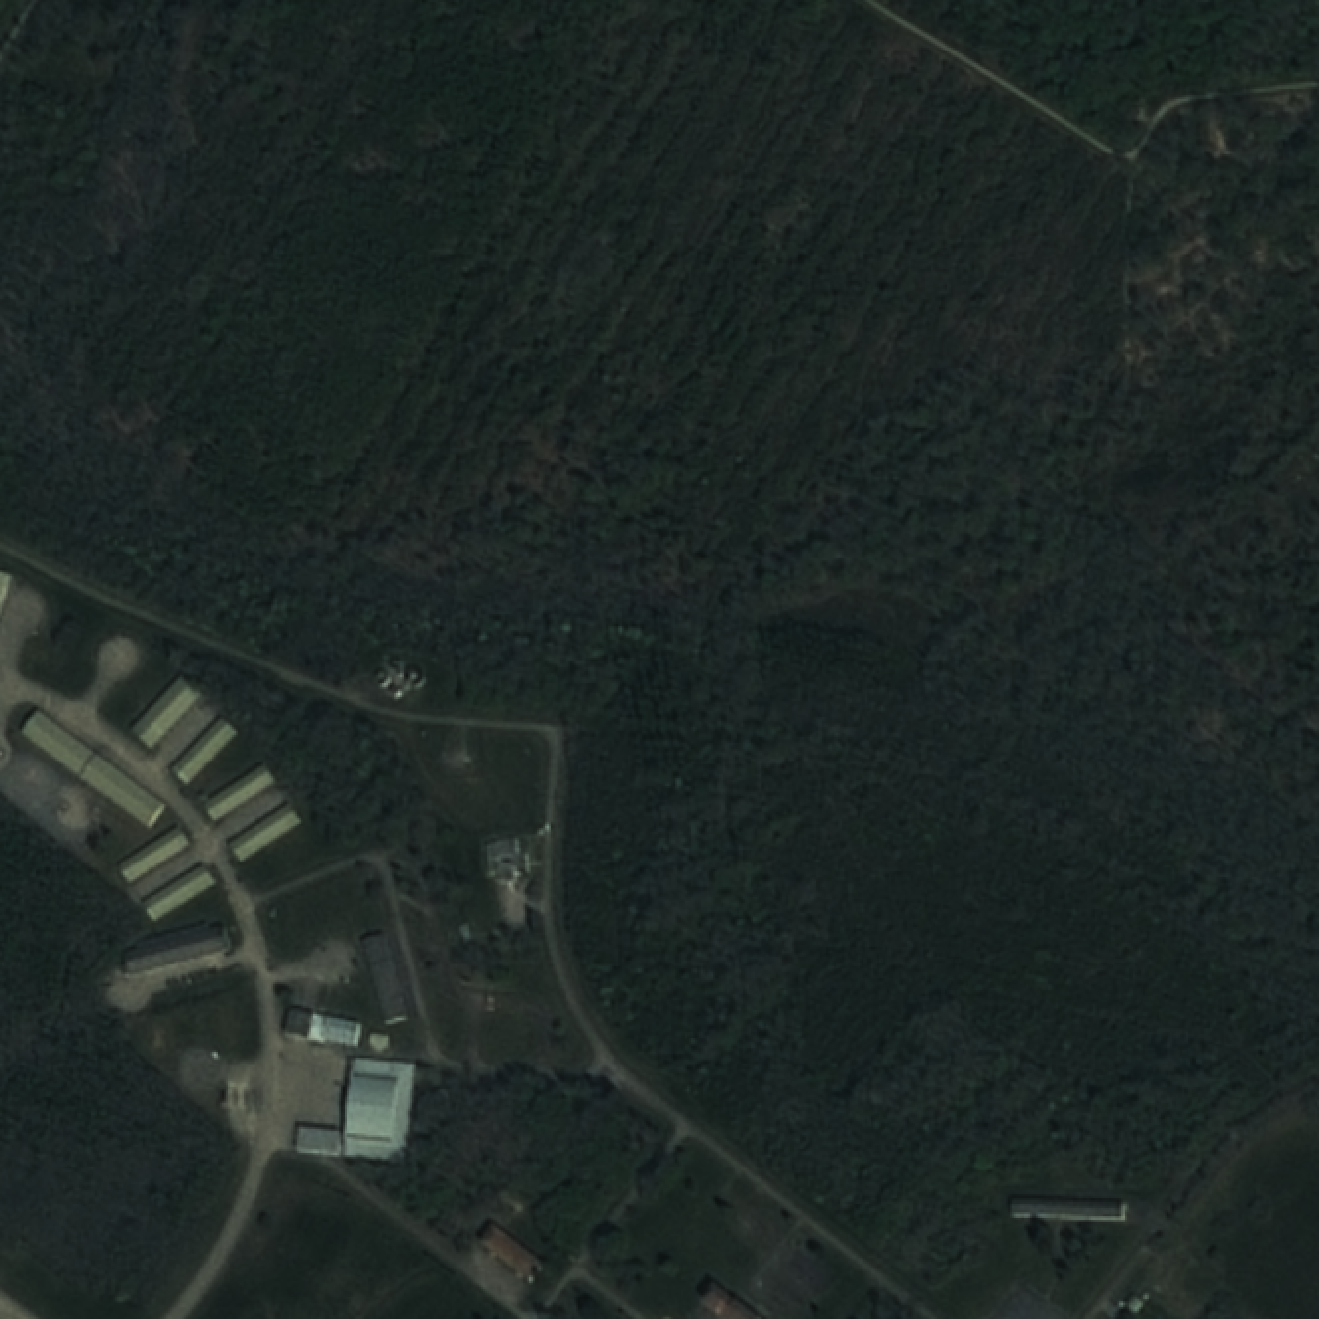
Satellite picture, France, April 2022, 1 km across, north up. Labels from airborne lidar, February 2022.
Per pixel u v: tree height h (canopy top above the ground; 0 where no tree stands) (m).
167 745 0
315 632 19
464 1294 0
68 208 16
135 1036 0
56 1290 0
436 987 0
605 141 7
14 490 13
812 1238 0
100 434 20
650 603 15
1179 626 26
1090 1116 22
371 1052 0
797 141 9
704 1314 0
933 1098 17
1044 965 6
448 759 0
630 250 8
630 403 8
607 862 10
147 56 21
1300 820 24
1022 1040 28
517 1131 29
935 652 21
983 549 23
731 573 24
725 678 17
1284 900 21
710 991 11
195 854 0
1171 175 26
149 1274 0
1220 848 24
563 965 0
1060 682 13
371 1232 0
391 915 0
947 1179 24
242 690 19
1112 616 22
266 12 25
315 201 11
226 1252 0
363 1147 0
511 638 17
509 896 0
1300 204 23
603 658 10
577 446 18
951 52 0
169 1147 18
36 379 7
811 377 9
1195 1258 0
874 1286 0
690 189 6
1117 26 26
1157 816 25
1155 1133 19
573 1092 25
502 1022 0
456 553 21
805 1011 7
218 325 15
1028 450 23
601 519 22
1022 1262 0
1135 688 24
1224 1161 16
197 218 12
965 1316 0
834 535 24
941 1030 29
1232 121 25
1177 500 0
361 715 0
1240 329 22
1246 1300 0
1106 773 22
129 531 18
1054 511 25
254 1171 0
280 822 0
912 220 8
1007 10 26
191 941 0
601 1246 17
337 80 8
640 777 15
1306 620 13
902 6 10
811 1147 20
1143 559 28
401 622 19
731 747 23
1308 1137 0
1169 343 25
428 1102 20
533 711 17
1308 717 19
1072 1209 0
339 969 0
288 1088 0
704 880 24
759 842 12
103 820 0
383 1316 0
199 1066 0
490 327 7
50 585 0
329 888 0
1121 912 5
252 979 0
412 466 8
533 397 7
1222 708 18
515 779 0
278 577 22
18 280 22
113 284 18
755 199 6
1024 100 0
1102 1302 0
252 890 0
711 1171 0
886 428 27
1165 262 28
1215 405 0
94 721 0
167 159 12
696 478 20
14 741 0
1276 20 27
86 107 9
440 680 0
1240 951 20
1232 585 25
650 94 6
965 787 14
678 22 24
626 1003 12
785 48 7
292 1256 0
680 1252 0
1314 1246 0
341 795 18
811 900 25
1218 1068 11
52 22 25
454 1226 20
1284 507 25
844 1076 9
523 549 24
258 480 9
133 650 0
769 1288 0
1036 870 8
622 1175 21
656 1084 0
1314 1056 19
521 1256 0
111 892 9
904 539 23
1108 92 24
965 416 27
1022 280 6
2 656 0
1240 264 23
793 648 0
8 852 14
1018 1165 13
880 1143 18
